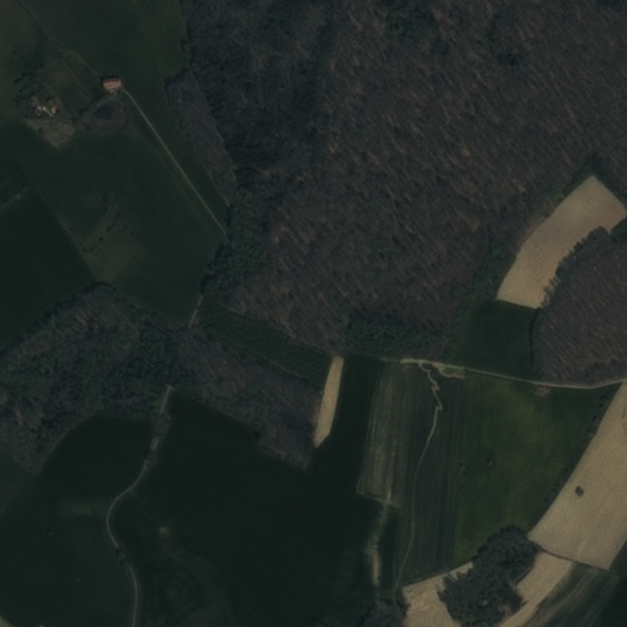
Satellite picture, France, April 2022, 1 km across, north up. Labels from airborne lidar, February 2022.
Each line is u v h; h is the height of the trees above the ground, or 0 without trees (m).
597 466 0
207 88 25
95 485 0
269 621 0
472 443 0
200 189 0
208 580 0
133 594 0
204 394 23
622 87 32
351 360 0
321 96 24
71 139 0
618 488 0
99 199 0
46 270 0
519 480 0
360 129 28
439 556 0
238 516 0
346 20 30
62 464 0
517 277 0
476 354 0
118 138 0
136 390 26
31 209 0
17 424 32
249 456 0
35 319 0
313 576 0
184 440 0
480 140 30
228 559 0
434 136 28
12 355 18
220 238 0
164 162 0
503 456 0
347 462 0
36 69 0
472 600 21
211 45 23
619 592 0
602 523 0
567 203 0
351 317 30
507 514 0
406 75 25
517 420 0
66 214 0
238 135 24
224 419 0
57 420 31
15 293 0
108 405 16
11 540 0
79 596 0
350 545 0
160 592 0
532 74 26
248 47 23
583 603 0
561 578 0
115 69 0
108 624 0
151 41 0
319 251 26
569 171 30
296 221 29
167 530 0
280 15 23
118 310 33
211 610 0
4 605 0
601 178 14
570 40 29
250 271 25
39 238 0
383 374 0
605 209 0
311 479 0
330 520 0
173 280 0
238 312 26
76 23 0
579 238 0
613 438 0
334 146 26
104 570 0
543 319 22
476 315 0
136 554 0
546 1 28
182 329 0
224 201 0
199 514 0
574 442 0
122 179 0
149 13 0
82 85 0
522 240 29
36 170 0
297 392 30
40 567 0
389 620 23
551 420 0
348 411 0
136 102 0
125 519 0
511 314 0
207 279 0
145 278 0
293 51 25
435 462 0
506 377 0
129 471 0
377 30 29
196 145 21
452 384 0
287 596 0
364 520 0
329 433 0
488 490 0
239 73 20
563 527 0
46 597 0
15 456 26
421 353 18
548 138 33
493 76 30
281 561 0
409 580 0
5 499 0
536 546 8
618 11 26
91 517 0
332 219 27
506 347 0
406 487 0
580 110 29
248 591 0
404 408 0
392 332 22
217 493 0
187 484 0
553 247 0
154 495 0
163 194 0
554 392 0
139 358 26
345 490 0
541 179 29
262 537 0
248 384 28
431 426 0
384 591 0
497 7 29
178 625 0
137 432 0
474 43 29
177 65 0
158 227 0
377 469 0
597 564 0
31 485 0
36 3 0
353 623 0
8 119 0
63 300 0
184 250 0
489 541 0
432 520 0
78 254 0
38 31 0
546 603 0
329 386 0
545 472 0
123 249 0
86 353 34
